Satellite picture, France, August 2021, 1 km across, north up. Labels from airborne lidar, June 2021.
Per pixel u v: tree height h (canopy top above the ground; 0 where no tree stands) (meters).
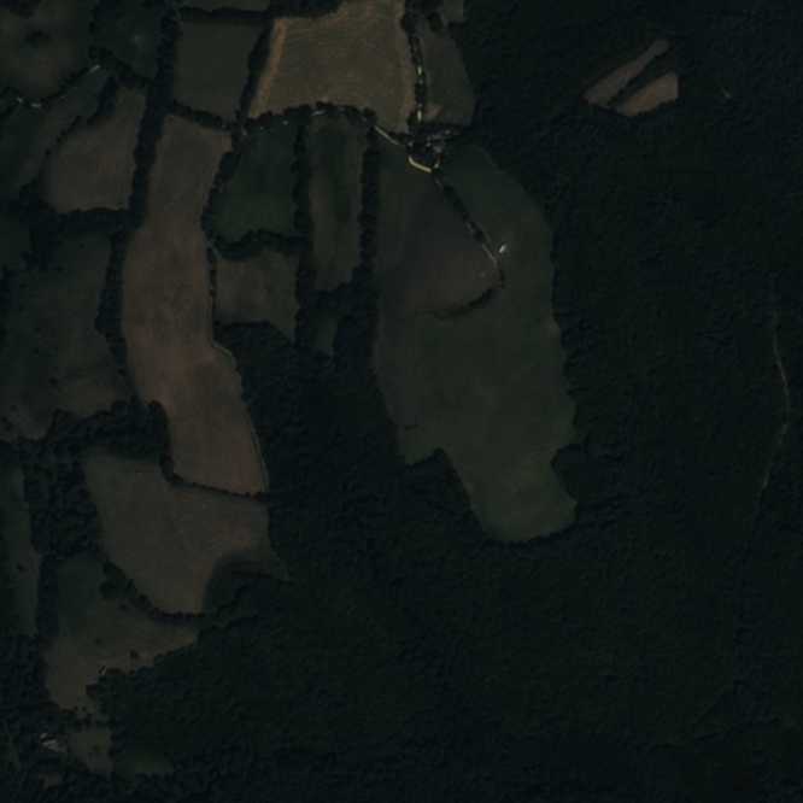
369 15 0
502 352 0
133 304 0
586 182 19
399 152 0
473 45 11
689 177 21
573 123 12
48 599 24
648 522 26
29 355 0
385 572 36
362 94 0
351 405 15
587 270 25
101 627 0
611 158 20
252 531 0
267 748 24
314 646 24
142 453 17
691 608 27
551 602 22
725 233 19
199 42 0
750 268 27
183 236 0
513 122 19
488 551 24
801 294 20
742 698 19
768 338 28
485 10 13
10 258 0
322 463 26
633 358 20
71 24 0
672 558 23
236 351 12
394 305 0
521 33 15
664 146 26
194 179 0
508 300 0
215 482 0
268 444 10
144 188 19
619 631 20
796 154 21
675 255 27
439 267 0
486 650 16
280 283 0
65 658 0
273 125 14
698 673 19
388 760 14
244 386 7
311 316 21
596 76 6
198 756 8
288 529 23
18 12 13
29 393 0
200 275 0
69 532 20
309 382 27
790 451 8
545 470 0
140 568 0
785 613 18
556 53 25
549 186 13
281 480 13
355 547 30
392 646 21
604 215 25
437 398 0
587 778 24
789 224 17
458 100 0
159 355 0
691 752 6
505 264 0
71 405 0
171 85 16
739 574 20
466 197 0
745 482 22
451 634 21
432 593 28
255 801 24
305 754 15
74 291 0
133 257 0
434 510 22
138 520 0
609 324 26
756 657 25
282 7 17
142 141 16
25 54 0
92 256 0
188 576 0
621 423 24
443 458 16
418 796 24
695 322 27
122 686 16
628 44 20
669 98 0
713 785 8
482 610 23
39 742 9
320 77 0
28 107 13
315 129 0
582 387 18
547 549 24
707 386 18
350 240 0
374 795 23
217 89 0
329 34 0
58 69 0
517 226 0
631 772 21
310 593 18
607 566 21
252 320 0
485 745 21
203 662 9
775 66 17
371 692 16
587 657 15
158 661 8
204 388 0
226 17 16
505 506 0
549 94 20
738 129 20
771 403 27
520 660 21
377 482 19
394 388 0
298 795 24
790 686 22
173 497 0
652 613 21
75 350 0
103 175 0
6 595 24
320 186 0
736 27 15
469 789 26
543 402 0
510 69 19
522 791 27
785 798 24
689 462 25
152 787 24
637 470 25
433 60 0
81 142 0
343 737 17
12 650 27
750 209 19
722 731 11
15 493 0
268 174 0
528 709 8
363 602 14
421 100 13
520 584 23
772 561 24
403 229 0
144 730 29
